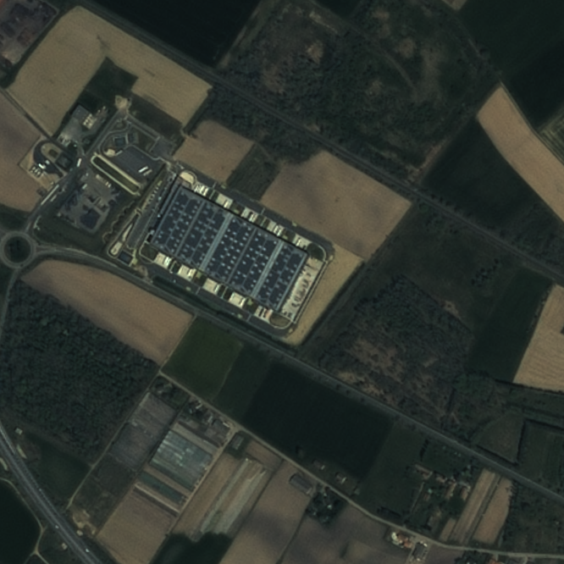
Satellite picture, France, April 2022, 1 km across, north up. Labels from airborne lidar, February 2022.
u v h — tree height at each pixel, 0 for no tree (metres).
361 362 8
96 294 0
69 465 0
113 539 0
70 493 0
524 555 0
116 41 0
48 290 0
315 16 0
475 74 0
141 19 0
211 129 0
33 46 0
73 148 0
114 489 0
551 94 0
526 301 0
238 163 0
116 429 15
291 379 0
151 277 0
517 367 0
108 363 17
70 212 0
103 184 0
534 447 0
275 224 0
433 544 0
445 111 0
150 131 0
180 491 0
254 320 0
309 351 0
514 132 0
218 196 0
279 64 0
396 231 0
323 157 0
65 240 0
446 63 0
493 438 0
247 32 0
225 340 0
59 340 16
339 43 16
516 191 0
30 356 19
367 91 0
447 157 0
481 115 0
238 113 17
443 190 0
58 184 0
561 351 0
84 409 19
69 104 0
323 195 0
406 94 0
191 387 0
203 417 13
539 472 0
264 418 0
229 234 15
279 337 0
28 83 0
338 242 0
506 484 0
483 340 0
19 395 24
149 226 0
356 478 0
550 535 0
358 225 0
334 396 0
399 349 10
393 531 0
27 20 0
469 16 0
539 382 0
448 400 10
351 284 0
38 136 0
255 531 0
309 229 0
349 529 0
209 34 0
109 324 0
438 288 0
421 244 0
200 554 0
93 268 0
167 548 0
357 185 0
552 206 0
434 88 0
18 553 0
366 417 0
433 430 0
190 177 0
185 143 0
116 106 0
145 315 0
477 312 0
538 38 0
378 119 6
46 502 0
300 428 0
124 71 0
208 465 0
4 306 0
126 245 0
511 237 22
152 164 0
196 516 0
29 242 0
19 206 0
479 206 0
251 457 0
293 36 0
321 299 0
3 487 0
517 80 0
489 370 0
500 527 0
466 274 0
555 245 15
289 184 0
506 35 0
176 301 0
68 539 0
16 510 0
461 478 15
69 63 0
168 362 0
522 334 0
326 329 0
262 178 0
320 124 14
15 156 0
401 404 6
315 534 0
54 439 16
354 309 0
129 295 0
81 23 0
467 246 0
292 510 0
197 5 0
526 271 0
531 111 0
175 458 0
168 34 0
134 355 17
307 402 0
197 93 0
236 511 0
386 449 0
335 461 0
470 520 0
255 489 0
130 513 0
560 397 6
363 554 0
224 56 0
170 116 0
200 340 0
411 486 0
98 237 0
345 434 0
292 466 0
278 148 13
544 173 0
